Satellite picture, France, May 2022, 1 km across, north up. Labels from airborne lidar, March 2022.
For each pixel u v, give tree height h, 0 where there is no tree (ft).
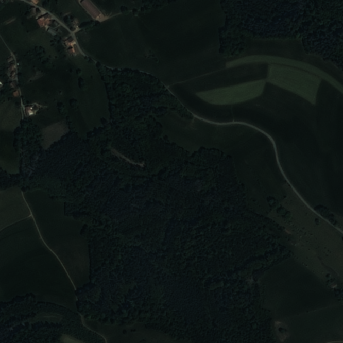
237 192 61
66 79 0
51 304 30
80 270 0
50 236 0
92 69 0
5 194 0
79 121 0
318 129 0
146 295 78
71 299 0
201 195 41
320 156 0
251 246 88
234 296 102
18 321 85
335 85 0
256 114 0
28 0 0
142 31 0
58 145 60
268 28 87
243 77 0
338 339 0
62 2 0
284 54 0
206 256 99
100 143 38
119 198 80
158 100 92
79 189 42
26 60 0
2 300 0
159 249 40
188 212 33
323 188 0
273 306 0
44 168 66
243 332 31
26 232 0
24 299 51
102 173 68
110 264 80
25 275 0
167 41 0
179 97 0
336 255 0
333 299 0
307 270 0
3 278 0
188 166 92
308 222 0
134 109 73
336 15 25
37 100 0
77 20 0
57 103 0
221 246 43
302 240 0
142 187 99
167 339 0
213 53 0
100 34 0
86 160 59
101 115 0
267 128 0
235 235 60
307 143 0
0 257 0
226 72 0
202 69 0
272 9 77
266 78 0
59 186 49
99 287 81
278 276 0
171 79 0
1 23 0
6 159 0
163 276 66
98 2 0
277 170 0
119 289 72
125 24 0
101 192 56
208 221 37
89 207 36
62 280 0
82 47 0
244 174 0
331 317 0
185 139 0
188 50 0
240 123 0
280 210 81
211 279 93
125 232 45
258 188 0
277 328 0
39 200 0
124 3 0
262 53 0
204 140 0
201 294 74
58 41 29
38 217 0
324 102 0
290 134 0
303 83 0
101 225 90
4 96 26
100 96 0
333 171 0
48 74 0
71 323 23
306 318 0
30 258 0
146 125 46
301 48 0
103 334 0
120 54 0
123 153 42
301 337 0
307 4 26
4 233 0
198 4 0
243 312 83
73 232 0
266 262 91
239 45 58
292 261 0
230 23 67
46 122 0
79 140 66
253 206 0
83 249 0
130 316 77
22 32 0
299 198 0
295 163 0
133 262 82
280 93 0
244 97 0
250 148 0
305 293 0
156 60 31
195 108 0
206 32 0
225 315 63
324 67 0
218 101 0
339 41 115
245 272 91
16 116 0
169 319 41
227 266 51
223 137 0
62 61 0
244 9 76
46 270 0
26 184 69
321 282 0
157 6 57
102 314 90
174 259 43
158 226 42
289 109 0
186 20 0
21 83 27
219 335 36
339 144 0
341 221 0
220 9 0
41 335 45
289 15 115
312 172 0
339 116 0
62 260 0
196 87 0
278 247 33
